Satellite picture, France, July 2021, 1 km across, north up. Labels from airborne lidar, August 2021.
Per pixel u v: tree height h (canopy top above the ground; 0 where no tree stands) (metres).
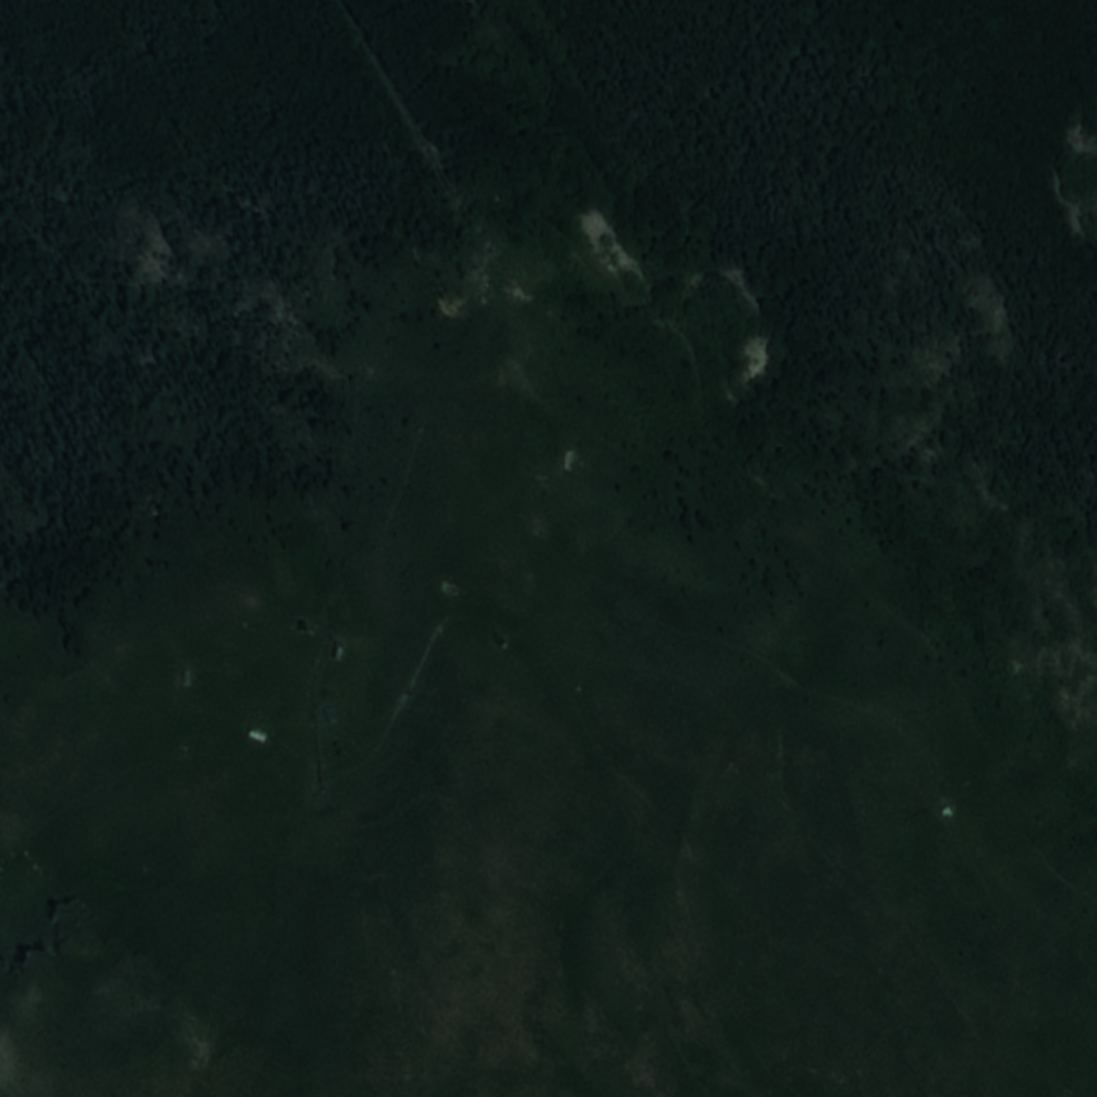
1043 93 21
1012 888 0
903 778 0
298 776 0
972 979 0
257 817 0
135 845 0
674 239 19
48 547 14
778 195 21
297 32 18
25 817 0
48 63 9
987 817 0
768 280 11
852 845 0
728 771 0
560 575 0
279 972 0
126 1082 0
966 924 0
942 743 0
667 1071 0
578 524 0
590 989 0
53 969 0
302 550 0
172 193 8
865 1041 0
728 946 0
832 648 0
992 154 27
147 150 14
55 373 9
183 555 0
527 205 9
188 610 0
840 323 12
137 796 0
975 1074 0
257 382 7
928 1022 0
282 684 0
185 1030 0
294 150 17
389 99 11
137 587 0
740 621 0
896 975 0
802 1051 0
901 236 10
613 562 0
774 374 7
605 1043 0
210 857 0
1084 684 0
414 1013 0
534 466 0
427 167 11
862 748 0
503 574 0
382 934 0
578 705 0
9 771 0
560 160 7
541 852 0
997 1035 0
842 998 0
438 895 0
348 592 0
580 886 0
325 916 0
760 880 0
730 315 8
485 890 0
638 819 0
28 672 0
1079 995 0
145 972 0
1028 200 18
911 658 0
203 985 0
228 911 0
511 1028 0
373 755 0
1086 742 0
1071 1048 0
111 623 0
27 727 0
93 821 0
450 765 0
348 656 0
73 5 14
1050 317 23
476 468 0
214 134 13
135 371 19
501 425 0
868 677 0
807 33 21
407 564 0
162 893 0
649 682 0
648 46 20
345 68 14
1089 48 19
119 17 13
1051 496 6
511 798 0
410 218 13
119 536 11
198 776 0
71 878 0
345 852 0
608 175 10
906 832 0
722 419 8
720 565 0
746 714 0
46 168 13
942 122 22
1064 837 0
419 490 0
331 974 0
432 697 0
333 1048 0
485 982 0
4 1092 0
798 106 25
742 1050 0
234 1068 0
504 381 0
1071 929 0
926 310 10
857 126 18
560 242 6
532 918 0
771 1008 0
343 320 0
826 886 0
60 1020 0
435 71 12
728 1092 0
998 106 19
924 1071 0
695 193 22
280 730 0
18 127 11
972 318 10
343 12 18
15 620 0
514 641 0
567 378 0
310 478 7
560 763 0
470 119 13
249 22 20
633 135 23
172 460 6
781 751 0
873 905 0
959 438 10
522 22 14
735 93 22
